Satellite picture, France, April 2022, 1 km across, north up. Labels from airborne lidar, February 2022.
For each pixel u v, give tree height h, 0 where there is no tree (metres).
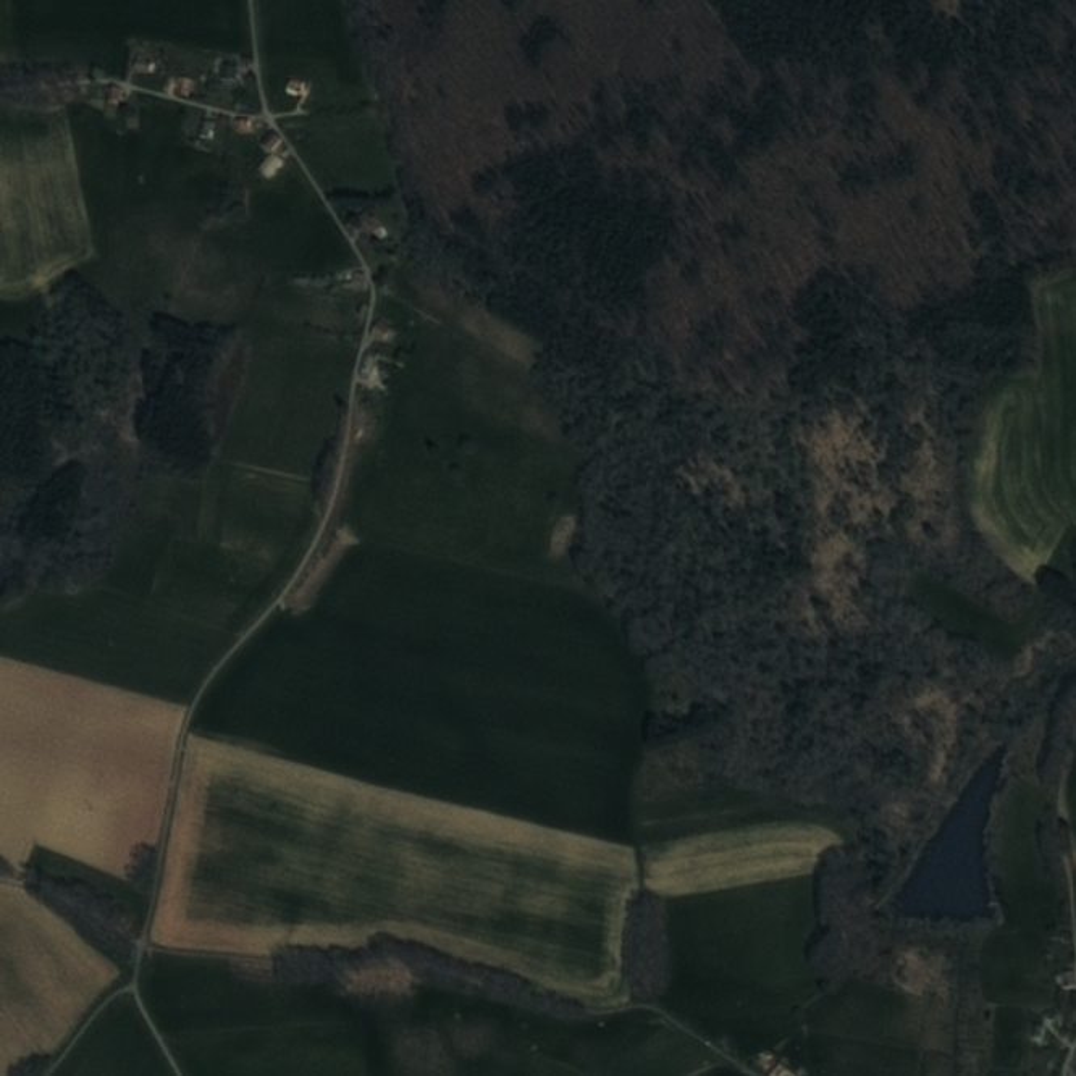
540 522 0
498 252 21
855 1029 0
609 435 15
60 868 0
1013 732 11
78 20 0
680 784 0
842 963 27
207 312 0
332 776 0
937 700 0
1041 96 21
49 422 12
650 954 24
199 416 25
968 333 21
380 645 0
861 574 13
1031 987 0
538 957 0
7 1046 0
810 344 18
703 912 0
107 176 0
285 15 0
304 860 0
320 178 0
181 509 0
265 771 0
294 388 0
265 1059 0
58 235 0
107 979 0
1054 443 0
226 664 0
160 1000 0
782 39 17
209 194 0
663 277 21
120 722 0
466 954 0
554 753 0
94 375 18
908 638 8
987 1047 0
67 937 0
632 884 0
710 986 0
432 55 17
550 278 27
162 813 0
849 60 21
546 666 0
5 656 0
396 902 0
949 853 0
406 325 0
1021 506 0
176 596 0
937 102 15
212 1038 0
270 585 0
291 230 0
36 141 0
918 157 17
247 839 0
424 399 0
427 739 0
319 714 0
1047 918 0
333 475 19
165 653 0
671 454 15
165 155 0
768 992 0
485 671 0
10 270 0
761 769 23
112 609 0
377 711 0
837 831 0
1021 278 18
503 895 0
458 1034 0
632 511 23
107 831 0
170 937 0
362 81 0
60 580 17
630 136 17
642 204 19
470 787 0
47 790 0
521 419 0
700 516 18
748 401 14
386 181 0
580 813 0
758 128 22
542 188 24
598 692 0
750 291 17
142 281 0
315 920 0
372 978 23
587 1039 0
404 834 0
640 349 20
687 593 23
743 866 0
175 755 0
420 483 0
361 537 0
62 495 13
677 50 19
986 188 18
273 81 0
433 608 0
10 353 18
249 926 0
